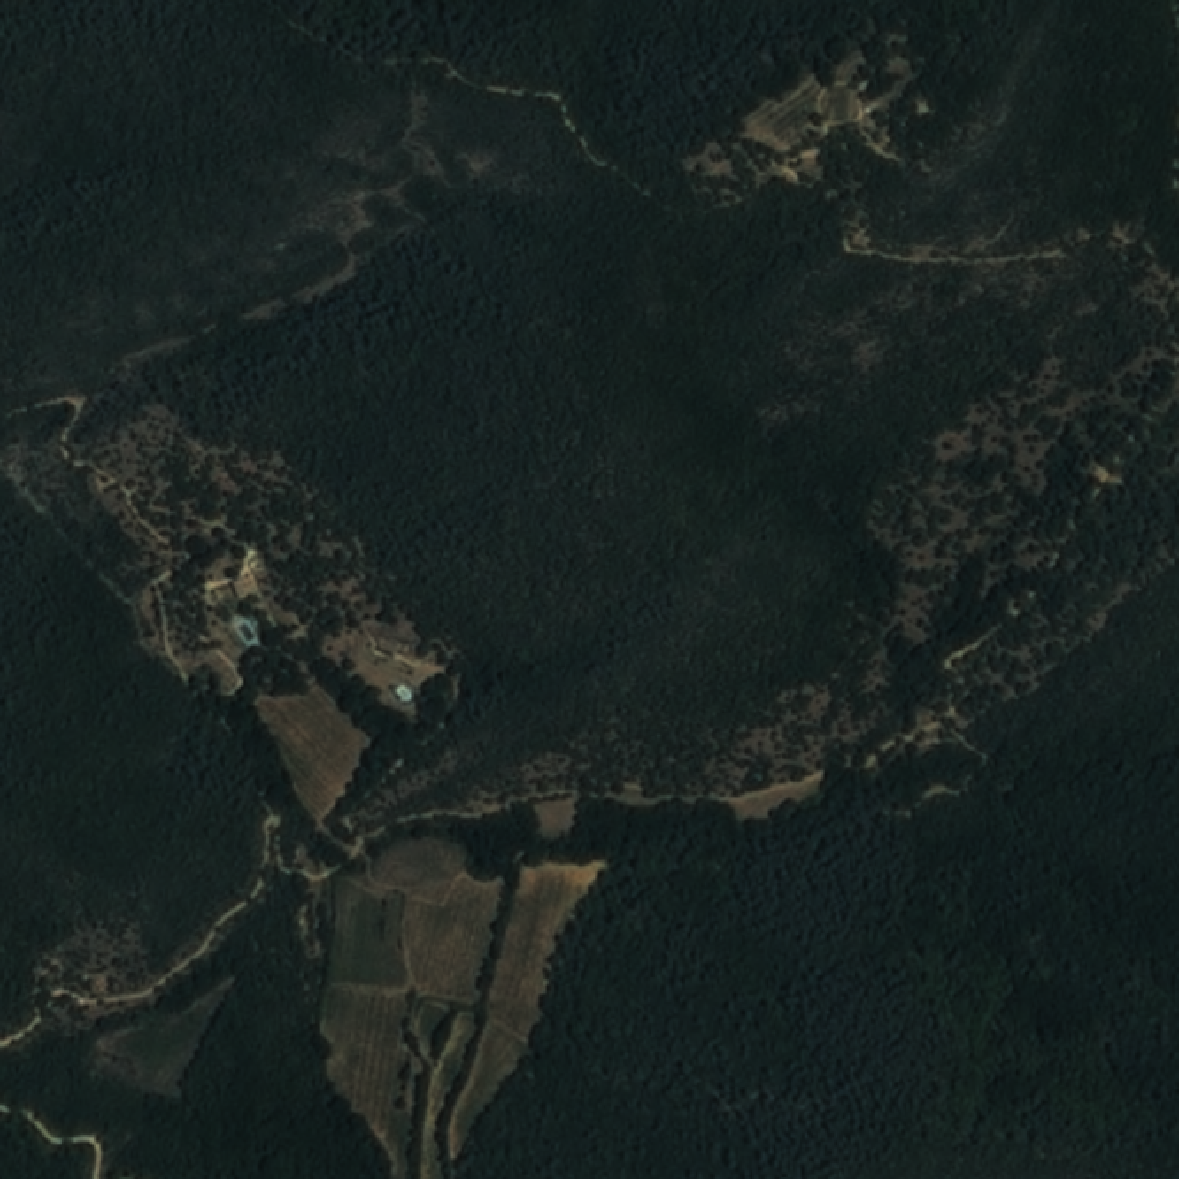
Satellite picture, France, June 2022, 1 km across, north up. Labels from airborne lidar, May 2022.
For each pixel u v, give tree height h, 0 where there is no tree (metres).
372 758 18
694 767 10
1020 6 8
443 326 11
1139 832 9
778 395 7
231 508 8
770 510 8
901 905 12
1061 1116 15
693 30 8
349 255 9
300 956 10
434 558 8
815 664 11
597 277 7
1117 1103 9
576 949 9
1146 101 15
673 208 6
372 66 15
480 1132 14
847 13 10
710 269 6
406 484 7
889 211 8
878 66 11
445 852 0
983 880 12
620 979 11
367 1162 12
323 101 8
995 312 11
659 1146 8
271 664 12
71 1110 7
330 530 9
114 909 6
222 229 8
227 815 7
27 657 6
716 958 8
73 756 6
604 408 7
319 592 7
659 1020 7
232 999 10
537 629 8
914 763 10
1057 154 6
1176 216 11
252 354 8
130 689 11
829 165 8
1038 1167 7
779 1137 14
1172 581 6
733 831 14
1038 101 11
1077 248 8
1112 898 6
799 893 16
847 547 10
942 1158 8
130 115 8
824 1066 13
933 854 11
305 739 0
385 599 7
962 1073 18
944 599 11
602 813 13
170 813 5
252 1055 9
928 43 15
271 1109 12
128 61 13
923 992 11
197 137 6
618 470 7
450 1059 0
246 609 11
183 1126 13
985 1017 13
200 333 8
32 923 7
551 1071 12
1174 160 12
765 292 7
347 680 10
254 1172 17
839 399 10
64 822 8
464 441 5
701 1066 9
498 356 9
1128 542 13
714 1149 15
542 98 6
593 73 12
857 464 11
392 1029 0
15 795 7
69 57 7
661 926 8
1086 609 10
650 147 17
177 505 9
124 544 8
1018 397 7
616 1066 7
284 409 6
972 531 9
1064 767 10
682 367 11
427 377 9
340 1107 19
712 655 7
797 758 8
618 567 8
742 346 8
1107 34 19
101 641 8
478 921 0
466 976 0
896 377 9
